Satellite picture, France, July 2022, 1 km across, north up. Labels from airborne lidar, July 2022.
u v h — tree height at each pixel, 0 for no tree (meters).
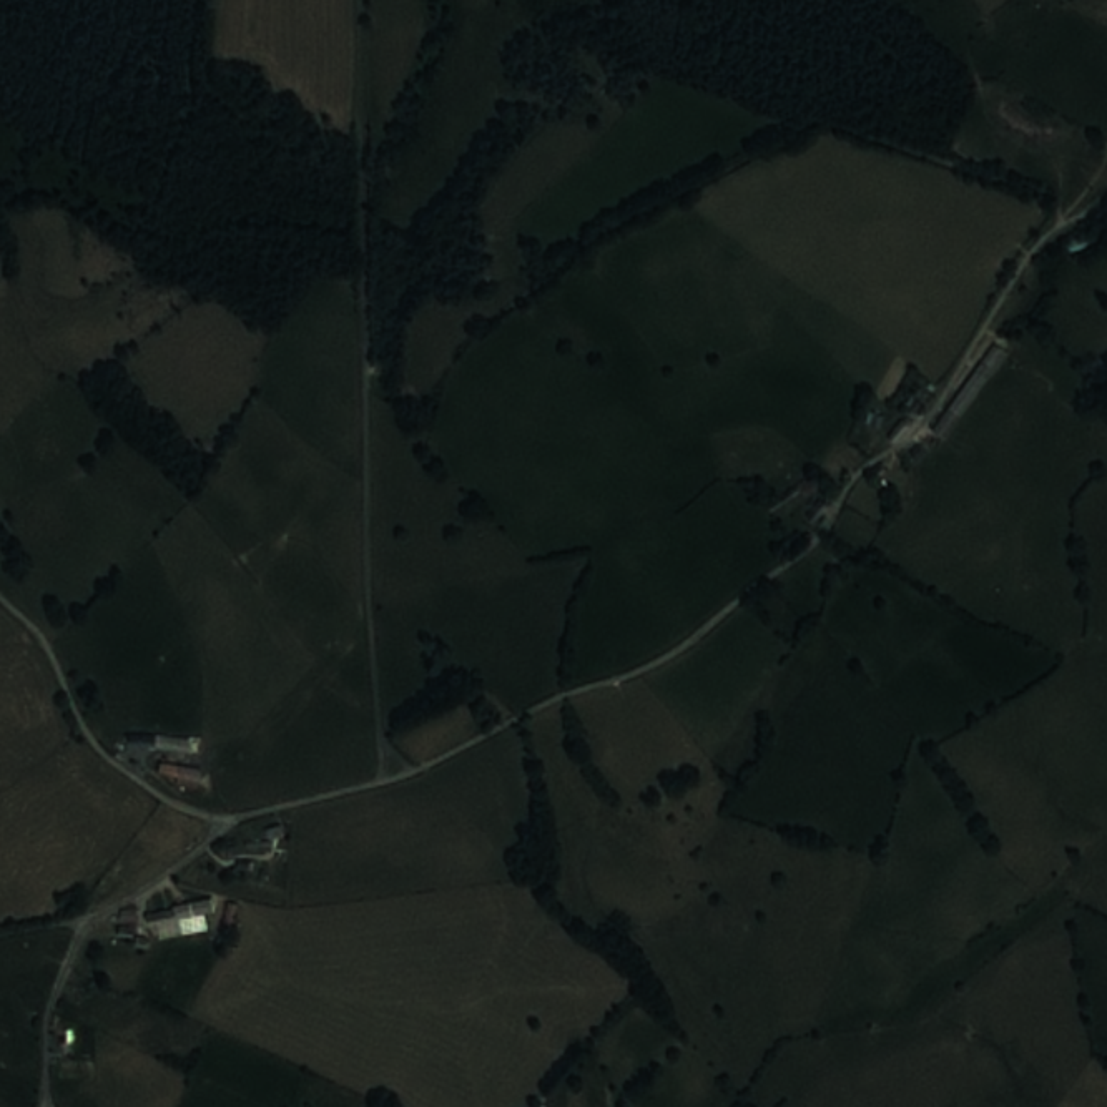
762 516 0
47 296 0
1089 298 0
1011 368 0
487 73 0
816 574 0
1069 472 0
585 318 0
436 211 14
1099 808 0
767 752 18
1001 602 0
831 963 0
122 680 0
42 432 0
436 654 22
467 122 0
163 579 0
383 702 0
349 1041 0
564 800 0
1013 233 0
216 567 0
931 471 0
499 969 0
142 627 0
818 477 17
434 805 0
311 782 0
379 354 10
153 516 0
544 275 16
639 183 0
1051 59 0
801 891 0
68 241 0
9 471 0
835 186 0
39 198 14
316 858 0
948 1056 0
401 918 0
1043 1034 0
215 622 0
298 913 0
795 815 0
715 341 0
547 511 0
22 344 0
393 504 0
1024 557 0
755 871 0
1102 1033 0
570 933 19
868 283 0
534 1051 0
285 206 17
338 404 0
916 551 0
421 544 0
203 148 16
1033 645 6
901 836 0
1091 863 0
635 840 0
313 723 0
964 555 0
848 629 0
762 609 7
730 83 21
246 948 0
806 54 21
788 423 0
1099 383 23
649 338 0
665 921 0
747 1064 0
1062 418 0
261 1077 0
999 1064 0
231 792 0
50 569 0
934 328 0
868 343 0
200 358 0
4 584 0
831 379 0
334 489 0
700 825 0
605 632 0
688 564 0
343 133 10
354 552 0
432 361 0
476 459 0
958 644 0
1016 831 0
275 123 15
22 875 0
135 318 0
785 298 0
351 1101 0
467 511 16
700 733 0
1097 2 0
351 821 0
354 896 0
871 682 7
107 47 25
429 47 9
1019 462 0
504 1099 0
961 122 8
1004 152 0
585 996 0
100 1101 0
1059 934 0
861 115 6
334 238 19
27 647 0
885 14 19
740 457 0
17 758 0
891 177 0
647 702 0
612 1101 0
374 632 0
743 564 0
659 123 0
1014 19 0
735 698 0
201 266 12
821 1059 0
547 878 14
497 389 0
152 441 12
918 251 0
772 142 19
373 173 16
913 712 0
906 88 22
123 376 18
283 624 0
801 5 14
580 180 0
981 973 0
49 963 0
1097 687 0
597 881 0
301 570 0
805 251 0
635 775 0
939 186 0
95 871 0
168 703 0
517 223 0
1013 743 0
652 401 0
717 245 0
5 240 16
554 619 0
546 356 0
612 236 13
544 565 7
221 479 0
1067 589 0
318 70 0
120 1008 0
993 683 0
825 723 0
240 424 13
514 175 0
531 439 0
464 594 0
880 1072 0
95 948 14
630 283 0
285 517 0
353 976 0
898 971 0
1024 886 0
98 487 0
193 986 0
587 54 13
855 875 0
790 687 0
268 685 0
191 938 0
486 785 0
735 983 0
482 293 12
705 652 0
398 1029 0
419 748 0
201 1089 0
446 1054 0
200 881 0
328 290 0
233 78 18
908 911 0
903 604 0
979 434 0
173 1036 0
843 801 0
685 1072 0
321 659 0
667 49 18
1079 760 0
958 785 14
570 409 0
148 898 0
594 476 0
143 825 0
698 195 12
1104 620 0
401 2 0
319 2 0
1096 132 12
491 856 0
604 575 0
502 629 0
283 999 0
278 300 16
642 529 0
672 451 0
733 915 0
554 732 0
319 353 0
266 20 0
